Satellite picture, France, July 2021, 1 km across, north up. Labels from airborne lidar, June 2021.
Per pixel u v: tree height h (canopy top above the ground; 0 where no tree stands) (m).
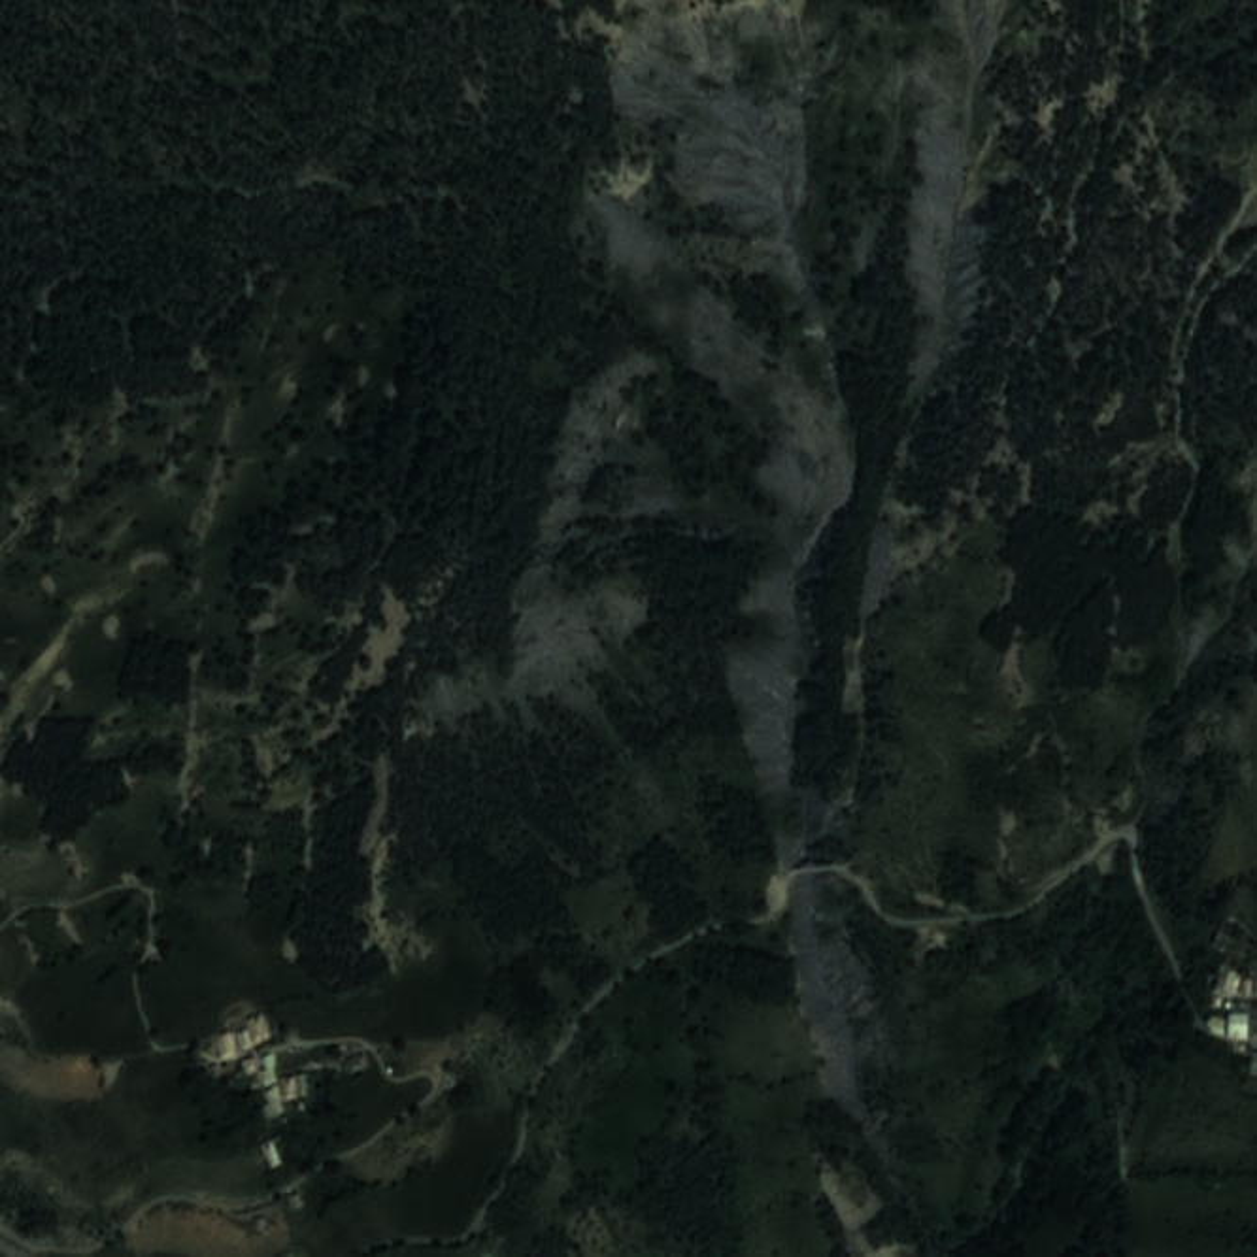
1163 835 10
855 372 19
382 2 24
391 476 18
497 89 16
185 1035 0
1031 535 12
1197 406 14
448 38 18
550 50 16
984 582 0
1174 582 11
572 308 14
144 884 14
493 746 10
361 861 14
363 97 24
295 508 15
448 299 29
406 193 26
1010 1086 16
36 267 17
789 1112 0
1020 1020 18
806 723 12
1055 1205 13
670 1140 6
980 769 6
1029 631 8
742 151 0
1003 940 7
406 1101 0
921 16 11
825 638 9
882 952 6
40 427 0
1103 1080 7
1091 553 11
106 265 20
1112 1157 9
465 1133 0
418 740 6
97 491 7
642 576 15
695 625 17
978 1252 20
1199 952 7
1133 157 11
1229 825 0
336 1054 11
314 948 12
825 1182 0
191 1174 0
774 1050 0
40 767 10
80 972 0
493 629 10
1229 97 9
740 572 16
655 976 10
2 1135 0
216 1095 5
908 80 0
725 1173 7
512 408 15
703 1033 8
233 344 11
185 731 0
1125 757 6
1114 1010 16
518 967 11
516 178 22
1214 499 17
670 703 9
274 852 6
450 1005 0
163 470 10
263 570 13
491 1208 12
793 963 8
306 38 23
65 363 16
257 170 18
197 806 9
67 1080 0
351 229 24
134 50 26
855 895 13
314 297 0
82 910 0
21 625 0
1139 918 7
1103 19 7
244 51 19
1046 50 6
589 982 12
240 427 0
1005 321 13
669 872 13
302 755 11
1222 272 15
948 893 12
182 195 28
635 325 18
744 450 11
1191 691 9
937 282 0
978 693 0
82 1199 0
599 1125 0
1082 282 15
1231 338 15
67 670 0
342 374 16
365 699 12
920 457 12
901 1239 9
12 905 0
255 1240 0
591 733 8
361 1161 0
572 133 24
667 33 0
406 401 22
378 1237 0
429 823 10
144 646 14
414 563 15
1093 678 14
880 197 11
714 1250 11
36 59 17
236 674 7
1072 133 14
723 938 8
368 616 11
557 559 7
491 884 13
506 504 27
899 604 12
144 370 15
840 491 0
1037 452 10
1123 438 10
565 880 11
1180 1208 0
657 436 15
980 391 10
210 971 0
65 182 17
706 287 10
